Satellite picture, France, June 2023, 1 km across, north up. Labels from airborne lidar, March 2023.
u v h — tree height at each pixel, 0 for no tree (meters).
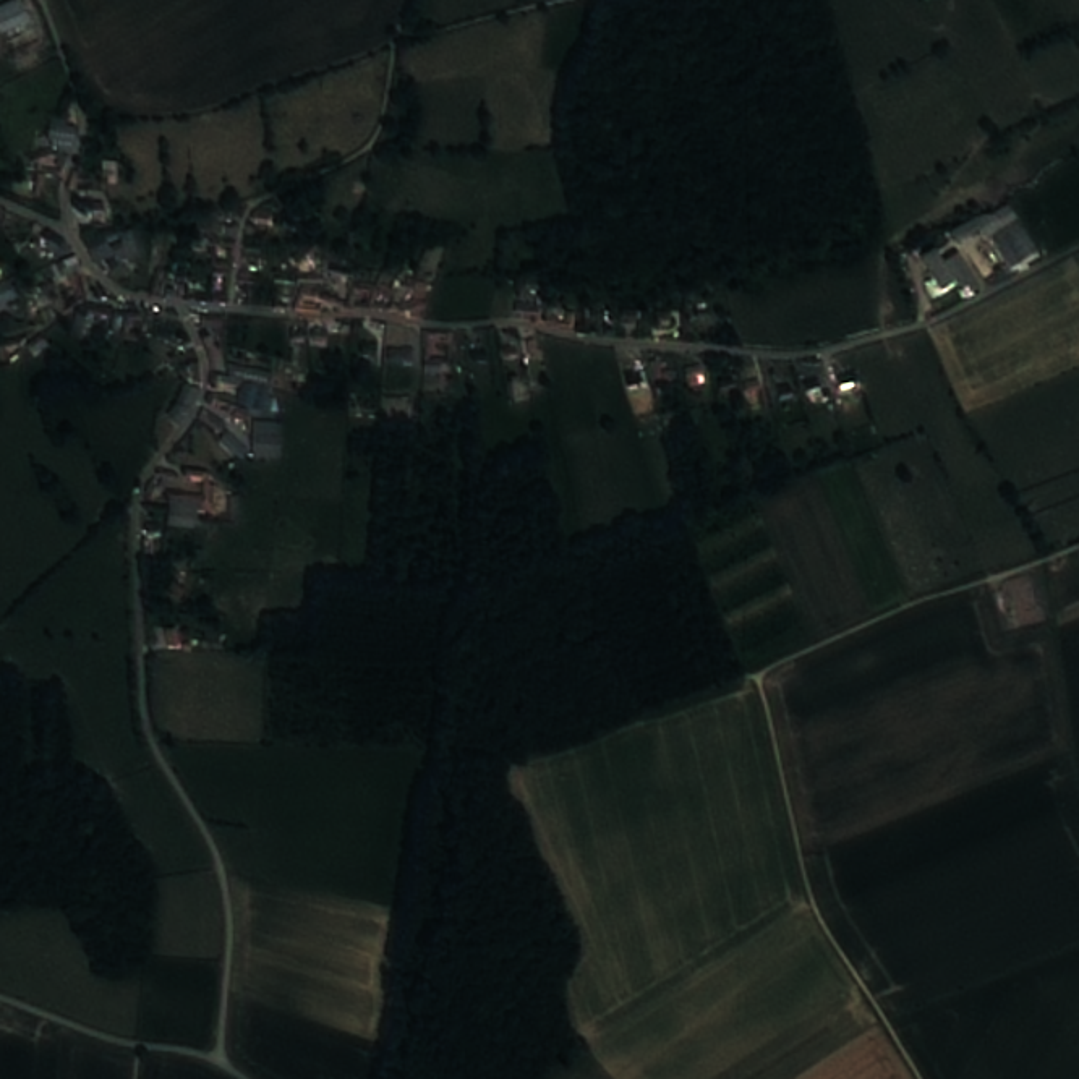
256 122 0
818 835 0
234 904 0
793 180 25
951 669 0
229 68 0
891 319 0
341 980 0
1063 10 0
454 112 0
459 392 0
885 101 0
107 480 18
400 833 0
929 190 0
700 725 0
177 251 9
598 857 0
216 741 0
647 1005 0
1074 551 0
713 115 27
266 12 0
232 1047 0
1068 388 0
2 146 6
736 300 0
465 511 12
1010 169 0
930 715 0
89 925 20
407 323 0
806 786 0
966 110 0
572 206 10
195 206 14
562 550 25
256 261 0
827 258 17
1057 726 0
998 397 0
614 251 22
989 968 0
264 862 0
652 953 0
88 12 0
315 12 0
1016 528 0
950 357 0
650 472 0
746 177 26
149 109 0
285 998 0
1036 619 0
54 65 0
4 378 0
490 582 25
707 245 24
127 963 21
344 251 14
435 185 0
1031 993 0
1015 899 0
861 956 0
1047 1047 0
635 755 0
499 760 26
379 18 0
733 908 0
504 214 0
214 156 0
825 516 0
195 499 0
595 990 0
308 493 0
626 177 27
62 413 0
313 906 0
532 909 23
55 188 0
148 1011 0
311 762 0
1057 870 0
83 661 0
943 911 0
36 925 0
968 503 0
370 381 17
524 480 21
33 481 0
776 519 0
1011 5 0
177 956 0
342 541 0
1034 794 0
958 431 0
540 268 16
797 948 0
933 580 0
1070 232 0
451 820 28
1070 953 0
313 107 0
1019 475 0
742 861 0
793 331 0
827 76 25
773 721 0
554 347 0
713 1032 0
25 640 0
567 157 20
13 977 0
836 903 0
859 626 0
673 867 0
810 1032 0
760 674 0
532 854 17
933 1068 0
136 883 24
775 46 25
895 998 0
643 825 0
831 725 0
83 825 22
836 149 24
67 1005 0
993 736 0
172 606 13
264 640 14
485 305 0
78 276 0
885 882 0
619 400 0
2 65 0
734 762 0
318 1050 0
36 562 0
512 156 0
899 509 0
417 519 20
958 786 0
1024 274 0
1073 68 0
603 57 22
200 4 0
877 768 0
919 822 0
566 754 0
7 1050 0
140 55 0
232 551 0
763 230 25
